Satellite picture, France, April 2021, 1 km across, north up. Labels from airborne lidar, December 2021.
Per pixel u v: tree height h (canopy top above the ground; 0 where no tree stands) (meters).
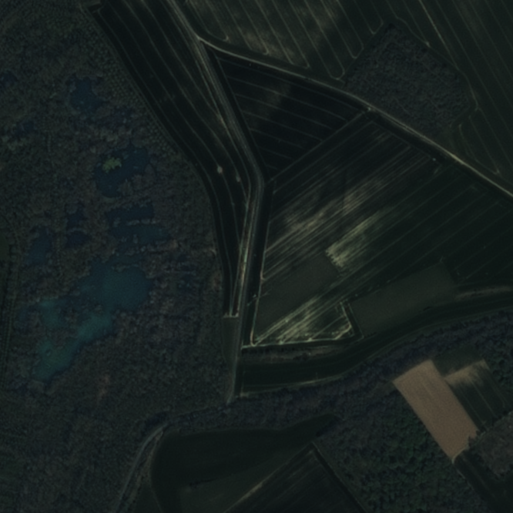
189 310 13
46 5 37
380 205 0
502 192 0
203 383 17
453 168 0
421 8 0
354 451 14
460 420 0
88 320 0
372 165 0
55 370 0
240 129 0
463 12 0
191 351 18
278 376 0
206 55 0
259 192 0
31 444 10
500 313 0
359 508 0
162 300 15
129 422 18
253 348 0
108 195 0
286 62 0
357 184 0
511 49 0
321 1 0
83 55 38
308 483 0
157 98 0
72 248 26
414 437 17
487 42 0
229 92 0
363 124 0
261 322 0
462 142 0
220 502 0
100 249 8
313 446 0
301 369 0
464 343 11
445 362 0
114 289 0
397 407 18
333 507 0
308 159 0
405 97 6
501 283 0
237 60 0
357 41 0
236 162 0
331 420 0
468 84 0
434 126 8
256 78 0
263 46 0
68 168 28
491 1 0
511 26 0
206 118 0
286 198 0
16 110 33
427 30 0
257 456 0
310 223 0
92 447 7
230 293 0
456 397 0
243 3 0
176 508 0
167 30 0
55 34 25
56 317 0
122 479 18
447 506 21
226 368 12
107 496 18
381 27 0
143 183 6
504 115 0
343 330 0
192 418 13
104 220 23
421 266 0
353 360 0
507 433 0
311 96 0
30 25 22
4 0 31
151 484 0
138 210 0
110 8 0
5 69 11
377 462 20
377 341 0
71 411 9
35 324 20
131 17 0
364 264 0
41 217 22
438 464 21
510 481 0
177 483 0
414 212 0
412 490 22
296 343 0
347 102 0
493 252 0
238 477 0
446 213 0
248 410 17
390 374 22
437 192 0
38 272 7
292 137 0
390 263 0
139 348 21
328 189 0
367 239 0
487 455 0
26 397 23
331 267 0
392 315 0
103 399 6
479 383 0
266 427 6
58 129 31
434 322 0
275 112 0
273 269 0
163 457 0
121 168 0
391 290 0
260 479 0
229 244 0
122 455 20
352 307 0
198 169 0
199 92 0
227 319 0
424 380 0
